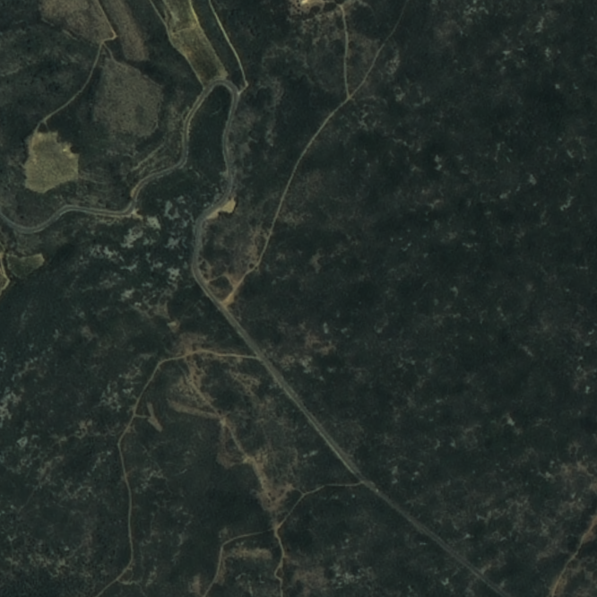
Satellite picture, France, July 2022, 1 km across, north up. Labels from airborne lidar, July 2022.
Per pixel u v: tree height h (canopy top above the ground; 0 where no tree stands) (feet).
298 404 0
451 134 0
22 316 0
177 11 0
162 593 0
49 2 0
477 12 0
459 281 0
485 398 0
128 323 0
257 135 0
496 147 0
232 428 0
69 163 0
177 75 0
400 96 0
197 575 0
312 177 0
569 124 0
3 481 0
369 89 0
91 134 0
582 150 0
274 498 0
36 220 0
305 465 0
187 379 0
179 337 0
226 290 0
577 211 0
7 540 0
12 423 0
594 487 0
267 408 0
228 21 21
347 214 0
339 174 0
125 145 0
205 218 0
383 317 0
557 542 0
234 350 0
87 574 0
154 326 0
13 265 0
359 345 0
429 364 0
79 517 0
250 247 0
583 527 18
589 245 18
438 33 0
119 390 0
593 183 0
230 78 17
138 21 0
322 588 0
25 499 0
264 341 0
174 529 0
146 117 0
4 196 0
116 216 0
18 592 21
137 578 0
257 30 33
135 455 0
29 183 0
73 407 0
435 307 0
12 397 0
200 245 0
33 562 0
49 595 19
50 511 0
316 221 0
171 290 0
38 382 0
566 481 0
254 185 0
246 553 0
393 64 0
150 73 19
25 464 0
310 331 0
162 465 0
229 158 0
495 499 0
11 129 0
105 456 0
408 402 0
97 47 0
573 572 0
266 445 0
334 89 0
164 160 0
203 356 0
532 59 19
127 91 0
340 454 0
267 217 0
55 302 0
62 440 0
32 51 28
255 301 0
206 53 0
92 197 0
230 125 0
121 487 0
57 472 0
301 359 0
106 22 0
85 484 0
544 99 18
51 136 0
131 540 0
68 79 0
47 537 0
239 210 0
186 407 0
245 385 0
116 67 0
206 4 0
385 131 0
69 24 0
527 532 0
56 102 0
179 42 0
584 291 0
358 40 0
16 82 0
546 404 0
